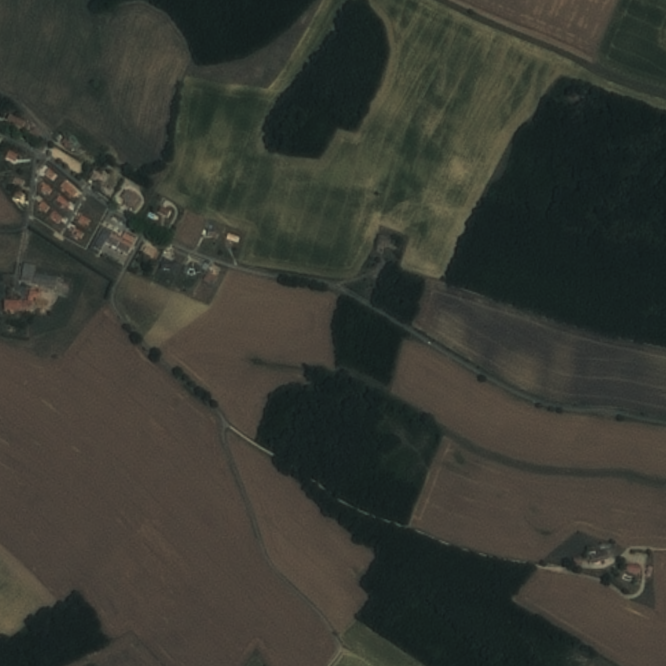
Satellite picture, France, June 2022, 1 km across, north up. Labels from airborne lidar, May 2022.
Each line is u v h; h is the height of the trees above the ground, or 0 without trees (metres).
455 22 0
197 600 0
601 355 0
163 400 0
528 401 0
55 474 0
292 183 0
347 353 8
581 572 10
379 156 0
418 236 0
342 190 0
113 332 0
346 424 21
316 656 0
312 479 12
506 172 6
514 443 0
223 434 0
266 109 0
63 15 0
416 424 10
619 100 19
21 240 0
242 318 0
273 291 0
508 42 0
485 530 0
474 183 0
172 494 0
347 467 19
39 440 0
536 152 9
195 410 0
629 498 0
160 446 0
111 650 0
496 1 0
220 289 0
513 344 0
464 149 0
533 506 0
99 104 0
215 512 0
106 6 8
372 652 0
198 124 0
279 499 0
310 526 0
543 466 0
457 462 0
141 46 0
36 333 0
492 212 18
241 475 0
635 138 21
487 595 15
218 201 0
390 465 0
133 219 18
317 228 0
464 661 8
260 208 0
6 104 11
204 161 0
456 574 14
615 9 0
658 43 0
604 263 19
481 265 15
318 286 12
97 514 0
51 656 20
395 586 15
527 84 0
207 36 11
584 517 0
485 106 0
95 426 0
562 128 10
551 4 0
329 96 11
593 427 0
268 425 10
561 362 0
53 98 0
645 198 18
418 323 0
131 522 0
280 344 0
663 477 0
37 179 0
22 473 0
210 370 0
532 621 16
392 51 0
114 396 0
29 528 0
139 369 0
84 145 0
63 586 0
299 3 10
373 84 14
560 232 19
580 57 0
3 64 0
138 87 0
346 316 8
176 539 0
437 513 0
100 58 0
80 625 14
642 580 0
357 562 0
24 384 0
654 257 17
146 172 16
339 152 0
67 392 0
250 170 0
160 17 0
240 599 0
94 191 15
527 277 14
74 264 0
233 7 15
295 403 11
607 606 0
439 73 0
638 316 13
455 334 0
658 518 0
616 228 15
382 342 9
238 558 0
